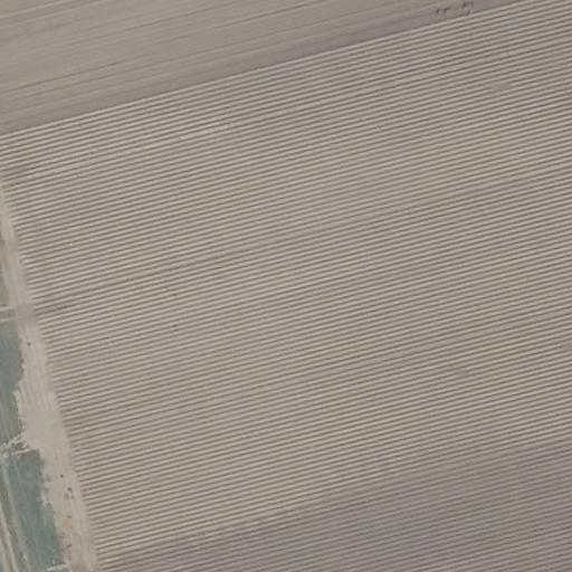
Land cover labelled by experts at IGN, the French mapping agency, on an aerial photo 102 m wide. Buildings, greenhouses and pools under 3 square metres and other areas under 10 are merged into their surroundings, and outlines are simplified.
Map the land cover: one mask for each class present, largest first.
<instances>
[{"label":"agricultural land","instance_id":"1","mask_svg":"<svg viewBox=\"0 0 572 572\"><path fill-rule=\"evenodd\" d=\"M0 501L7 527L11 525V516H18L22 525L31 565H58L67 559L74 565V572H572V0H0Z\"/></svg>","mask_w":572,"mask_h":572},{"label":"pervious surface","instance_id":"2","mask_svg":"<svg viewBox=\"0 0 572 572\"><path fill-rule=\"evenodd\" d=\"M0 572H74V565L67 559L58 565H31L22 525L18 516H11V525L7 527L0 501Z\"/></svg>","mask_w":572,"mask_h":572}]
</instances>
